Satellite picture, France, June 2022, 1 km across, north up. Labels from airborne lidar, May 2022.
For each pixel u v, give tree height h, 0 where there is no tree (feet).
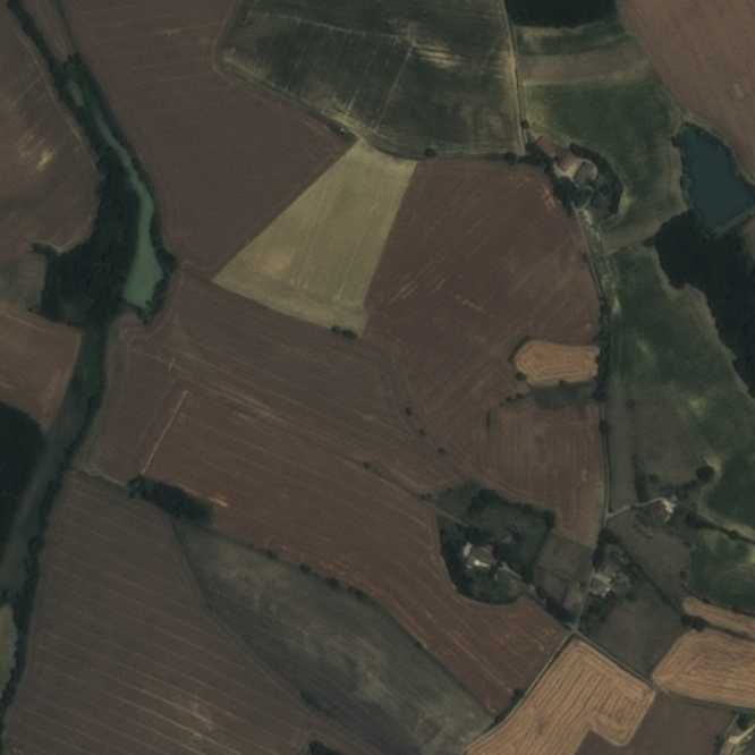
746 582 0
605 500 0
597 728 0
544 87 0
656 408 0
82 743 0
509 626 0
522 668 0
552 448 0
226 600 0
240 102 0
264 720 0
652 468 0
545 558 0
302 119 0
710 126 0
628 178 0
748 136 0
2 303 0
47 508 54
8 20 0
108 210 53
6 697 53
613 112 0
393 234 0
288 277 0
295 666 0
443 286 0
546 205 0
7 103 0
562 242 0
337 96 0
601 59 0
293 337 0
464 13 0
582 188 42
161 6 0
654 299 0
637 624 0
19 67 0
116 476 0
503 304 0
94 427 0
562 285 0
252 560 0
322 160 0
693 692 0
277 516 0
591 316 0
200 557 0
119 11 0
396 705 0
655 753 0
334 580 40
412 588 0
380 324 0
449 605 0
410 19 0
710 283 67
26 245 0
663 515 0
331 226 0
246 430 0
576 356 0
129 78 0
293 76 0
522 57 0
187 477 0
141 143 0
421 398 0
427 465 0
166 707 0
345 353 0
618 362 0
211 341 0
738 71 0
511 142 0
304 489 0
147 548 0
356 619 0
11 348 0
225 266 0
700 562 0
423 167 0
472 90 0
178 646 0
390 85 0
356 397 0
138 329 0
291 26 0
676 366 0
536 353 0
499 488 0
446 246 0
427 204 0
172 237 0
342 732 0
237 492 0
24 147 0
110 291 89
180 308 0
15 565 0
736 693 0
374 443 0
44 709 0
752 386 63
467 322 0
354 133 0
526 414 0
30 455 69
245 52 0
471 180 0
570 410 0
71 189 0
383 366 0
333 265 0
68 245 0
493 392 0
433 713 0
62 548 0
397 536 0
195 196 0
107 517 0
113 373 0
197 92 0
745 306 83
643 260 0
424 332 0
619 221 0
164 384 0
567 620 49
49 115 0
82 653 0
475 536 55
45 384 0
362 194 0
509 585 0
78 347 0
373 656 0
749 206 0
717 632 0
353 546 0
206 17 0
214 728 0
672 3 0
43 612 0
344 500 0
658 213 0
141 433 0
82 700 0
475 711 0
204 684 0
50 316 32
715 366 0
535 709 0
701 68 0
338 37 0
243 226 0
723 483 0
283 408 0
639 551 0
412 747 0
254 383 0
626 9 0
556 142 0
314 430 0
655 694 0
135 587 0
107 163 48
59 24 0
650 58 0
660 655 0
